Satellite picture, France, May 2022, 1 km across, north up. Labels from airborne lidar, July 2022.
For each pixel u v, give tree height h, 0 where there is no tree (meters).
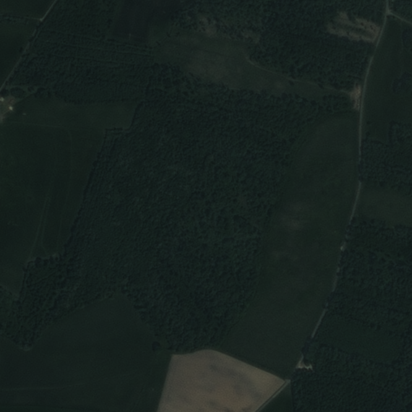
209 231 20
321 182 0
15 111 0
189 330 19
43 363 0
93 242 22
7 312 6
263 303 0
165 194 17
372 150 22
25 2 0
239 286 12
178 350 19
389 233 17
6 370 0
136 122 17
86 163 0
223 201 18
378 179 22
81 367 0
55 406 0
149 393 0
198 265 24
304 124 17
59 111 0
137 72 11
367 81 0
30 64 15
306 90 0
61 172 0
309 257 0
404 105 0
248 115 14
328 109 9
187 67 0
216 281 25
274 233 0
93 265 22
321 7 17
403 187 27
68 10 7
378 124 0
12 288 0
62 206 0
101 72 11
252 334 0
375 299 12
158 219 18
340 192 0
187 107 14
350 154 0
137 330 0
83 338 0
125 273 18
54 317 15
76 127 0
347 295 12
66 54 9
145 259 20
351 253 8
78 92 16
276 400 0
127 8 0
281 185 21
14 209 0
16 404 0
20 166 0
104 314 0
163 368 0
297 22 27
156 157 19
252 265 27
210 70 0
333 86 17
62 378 0
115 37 0
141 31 0
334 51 21
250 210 10
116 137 7
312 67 24
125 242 21
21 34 0
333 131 0
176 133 16
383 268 28
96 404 0
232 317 29
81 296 14
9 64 0
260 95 7
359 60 15
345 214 0
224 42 0
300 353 0
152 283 18
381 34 0
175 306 27
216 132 19
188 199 15
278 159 13
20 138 0
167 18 0
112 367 0
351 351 16
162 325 27
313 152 0
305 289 0
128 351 0
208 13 9
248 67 0
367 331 15
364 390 23
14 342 13
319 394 22
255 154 7
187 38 0
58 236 0
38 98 10
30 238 0
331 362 26
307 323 0
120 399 0
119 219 21
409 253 10
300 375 22
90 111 0
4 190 0
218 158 26
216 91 23
